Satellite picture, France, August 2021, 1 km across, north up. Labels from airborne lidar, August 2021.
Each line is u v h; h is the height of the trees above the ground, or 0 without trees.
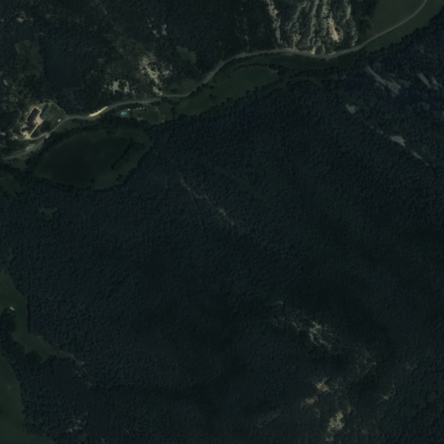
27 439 0
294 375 17
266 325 11
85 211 16
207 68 9
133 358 15
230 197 19
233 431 18
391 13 0
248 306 16
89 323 11
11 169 18
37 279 12
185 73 11
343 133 12
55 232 18
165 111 0
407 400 14
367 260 15
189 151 19
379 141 20
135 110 0
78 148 0
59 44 13
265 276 16
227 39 11
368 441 6
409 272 14
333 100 12
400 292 14
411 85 11
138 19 8
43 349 0
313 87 13
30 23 13
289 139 19
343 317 13
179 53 9
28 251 11
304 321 8
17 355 17
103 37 8
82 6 9
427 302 14
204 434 12
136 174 19
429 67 18
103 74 15
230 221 7
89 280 18
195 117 15
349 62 0
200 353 13
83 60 14
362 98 7
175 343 14
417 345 16
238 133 18
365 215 18
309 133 13
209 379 18
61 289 16
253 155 10
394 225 19
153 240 16
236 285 16
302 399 10
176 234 13
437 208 15
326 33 8
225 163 13
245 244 16
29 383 14
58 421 12
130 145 12
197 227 17
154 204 20
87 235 15
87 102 7
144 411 8
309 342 8
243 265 11
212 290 18
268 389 13
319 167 22
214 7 6
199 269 16
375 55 12
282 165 15
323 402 9
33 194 9
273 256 19
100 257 11
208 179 21
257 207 21
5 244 12
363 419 12
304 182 15
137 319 16
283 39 8
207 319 13
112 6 7
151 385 17
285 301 7
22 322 0
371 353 11
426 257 15
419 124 12
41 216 8
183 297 13
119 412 15
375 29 0
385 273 15
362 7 9
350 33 8
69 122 0
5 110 8
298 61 0
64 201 13
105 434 17
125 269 13
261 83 0
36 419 13
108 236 15
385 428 10
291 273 17
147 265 20
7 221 16
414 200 19
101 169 0
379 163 17
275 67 15
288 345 16
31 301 16
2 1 12
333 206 13
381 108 6
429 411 24
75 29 11
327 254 16
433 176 17
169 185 9
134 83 9
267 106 15
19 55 7
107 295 15
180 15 11
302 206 15
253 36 10
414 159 23
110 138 0
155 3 15
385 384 17
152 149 12
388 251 15
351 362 7
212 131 22
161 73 9
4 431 0
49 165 0
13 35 9
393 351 10
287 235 16
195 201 10
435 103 16
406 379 13
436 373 15
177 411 12
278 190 12
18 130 7
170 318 16
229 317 18
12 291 0
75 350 9
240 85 0
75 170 0
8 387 0
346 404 9
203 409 15
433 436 10
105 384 13
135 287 14
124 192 15
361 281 17
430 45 18
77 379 20
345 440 6
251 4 9
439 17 19
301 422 11
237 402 14
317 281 17
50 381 19
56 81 19
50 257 15
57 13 6
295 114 21
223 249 15
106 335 13
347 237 19
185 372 17
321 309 12
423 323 17
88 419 12
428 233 21
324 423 11
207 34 13
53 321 15
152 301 18
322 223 16
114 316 17
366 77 11
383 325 19
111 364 10
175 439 10
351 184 19
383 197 22
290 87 8
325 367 16
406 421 9
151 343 20
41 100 7
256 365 17
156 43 13
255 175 9
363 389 13
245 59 9
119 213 17
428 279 11
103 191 17
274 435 13
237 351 21
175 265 16
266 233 20
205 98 0
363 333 12
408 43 7
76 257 17
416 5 0
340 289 17
